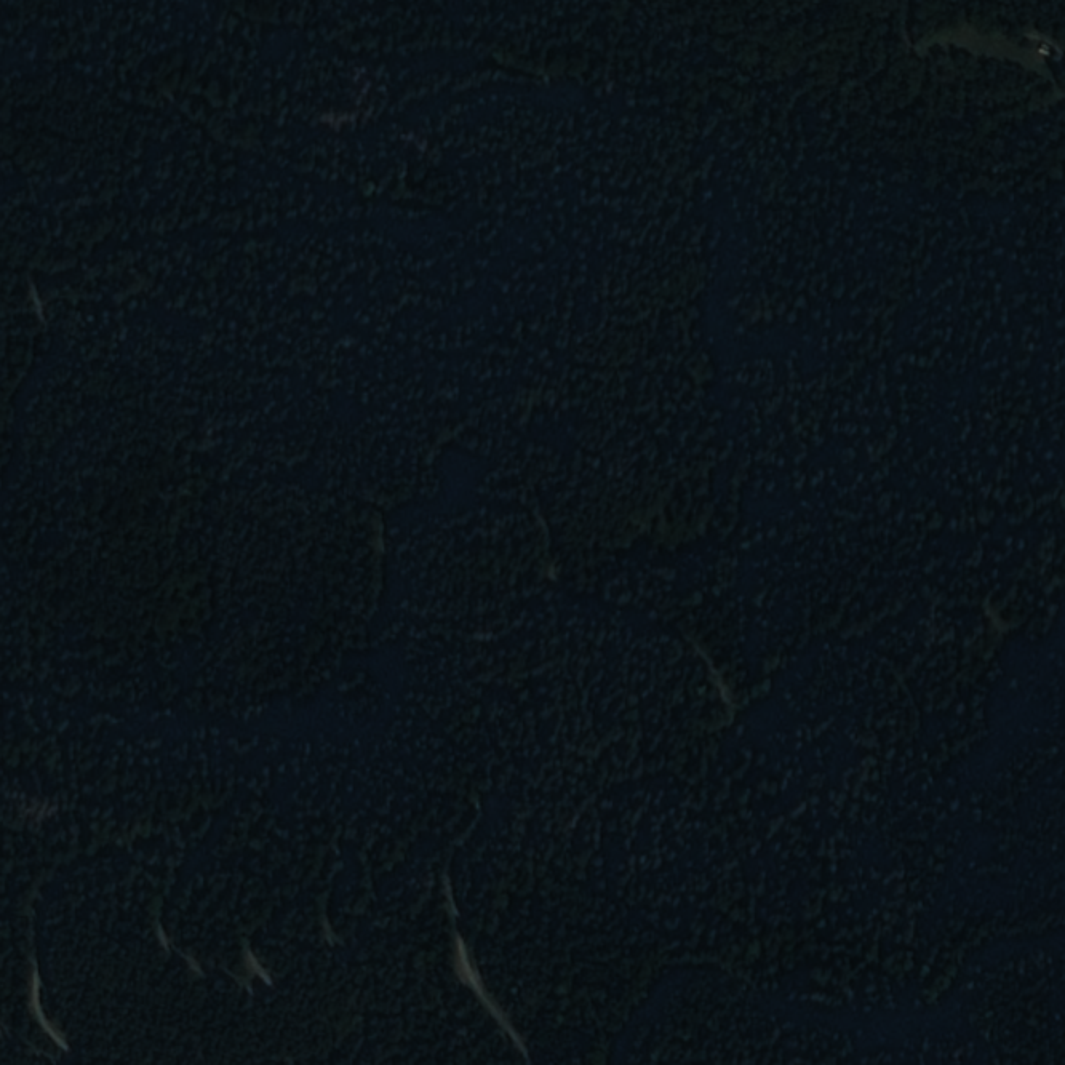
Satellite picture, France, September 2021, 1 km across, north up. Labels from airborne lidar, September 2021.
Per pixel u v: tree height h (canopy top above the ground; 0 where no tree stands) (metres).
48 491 32
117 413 22
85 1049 12
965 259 33
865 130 21
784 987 7
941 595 14
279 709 18
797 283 34
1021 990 16
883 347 36
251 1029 29
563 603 7
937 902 17
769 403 32
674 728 24
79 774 26
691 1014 16
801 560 20
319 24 24
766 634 18
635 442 26
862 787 33
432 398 32
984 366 16
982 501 36
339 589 32
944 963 20
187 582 26
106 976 26
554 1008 12
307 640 40
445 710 31
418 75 25
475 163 29
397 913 21
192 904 19
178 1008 23
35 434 27
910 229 32
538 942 24
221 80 28
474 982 0
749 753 20
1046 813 15
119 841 31
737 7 22
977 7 21
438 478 7
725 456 34
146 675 19
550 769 34
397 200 30
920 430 19
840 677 11
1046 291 27
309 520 28
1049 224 30
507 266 24
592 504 26
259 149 9
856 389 22
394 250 19
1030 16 21
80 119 26
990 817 23
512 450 32
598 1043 22
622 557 6
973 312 35
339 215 8
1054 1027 18
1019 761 21
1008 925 19
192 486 24
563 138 33
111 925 23
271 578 26
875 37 23
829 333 31
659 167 25
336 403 12
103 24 30
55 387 25
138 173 19
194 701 32
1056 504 35
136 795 22
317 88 30
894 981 17
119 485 23
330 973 16
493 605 31
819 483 28
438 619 28
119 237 24
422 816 32
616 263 29
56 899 17
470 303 6
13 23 32
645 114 21
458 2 8
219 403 30
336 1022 22
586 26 24
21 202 31
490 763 26
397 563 12
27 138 29
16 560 25
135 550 21
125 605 23
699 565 9
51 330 13
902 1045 7
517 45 35
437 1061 18
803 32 18
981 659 12
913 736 20
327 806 31
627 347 31
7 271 27
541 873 20
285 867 36
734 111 26
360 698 24
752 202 29
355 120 37
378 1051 31
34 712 14
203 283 28
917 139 23
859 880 19
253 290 24
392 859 32
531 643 25
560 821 31
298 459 31
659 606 32
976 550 22
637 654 30
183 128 25
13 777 11
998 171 24
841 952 19
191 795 26
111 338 25
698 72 32
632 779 32
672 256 28
